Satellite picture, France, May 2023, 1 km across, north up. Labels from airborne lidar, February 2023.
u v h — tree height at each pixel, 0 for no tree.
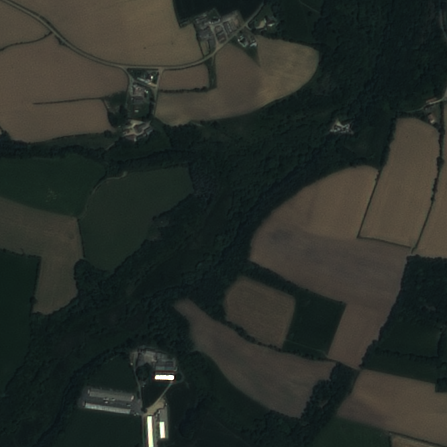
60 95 0
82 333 0
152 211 0
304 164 13
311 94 14
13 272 0
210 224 0
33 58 0
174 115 0
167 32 0
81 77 0
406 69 15
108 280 14
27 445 0
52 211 0
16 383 11
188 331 15
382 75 14
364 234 0
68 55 0
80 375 14
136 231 0
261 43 0
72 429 0
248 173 8
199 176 22
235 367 0
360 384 0
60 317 13
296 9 0
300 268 0
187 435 33
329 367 0
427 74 13
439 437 0
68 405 19
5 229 0
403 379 0
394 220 0
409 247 0
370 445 0
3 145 29
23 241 0
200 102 0
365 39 12
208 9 0
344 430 0
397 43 17
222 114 0
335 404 11
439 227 0
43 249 0
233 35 0
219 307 16
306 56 0
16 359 0
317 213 0
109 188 0
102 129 0
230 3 0
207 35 0
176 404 0
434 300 18
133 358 0
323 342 0
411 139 0
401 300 15
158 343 10
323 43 9
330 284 0
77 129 0
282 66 0
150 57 0
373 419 0
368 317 0
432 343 0
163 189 0
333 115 13
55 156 18
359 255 0
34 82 0
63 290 0
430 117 0
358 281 0
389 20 15
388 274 0
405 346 0
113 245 0
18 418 7
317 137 12
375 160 0
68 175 0
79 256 0
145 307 10
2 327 0
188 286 17
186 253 0
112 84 0
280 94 0
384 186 0
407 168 0
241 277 0
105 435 0
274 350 8
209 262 9
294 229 0
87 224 0
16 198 0
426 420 0
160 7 0
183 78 0
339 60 21
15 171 0
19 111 0
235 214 15
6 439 0
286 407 0
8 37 0
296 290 13
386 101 17
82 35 0
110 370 0
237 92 0
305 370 0
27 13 0
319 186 0
